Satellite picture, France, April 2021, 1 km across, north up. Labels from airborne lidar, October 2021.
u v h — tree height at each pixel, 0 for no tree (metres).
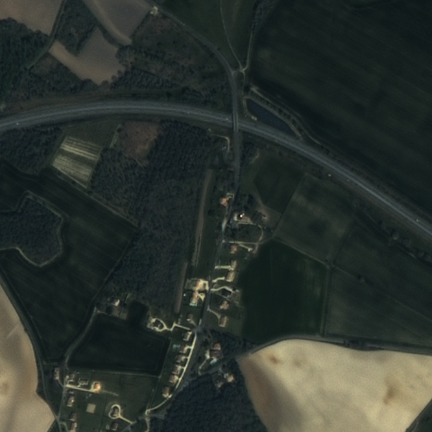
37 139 10
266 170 0
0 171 0
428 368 0
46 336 0
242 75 0
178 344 0
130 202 14
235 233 11
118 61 16
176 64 11
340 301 0
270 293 0
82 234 0
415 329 0
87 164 0
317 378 0
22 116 0
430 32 0
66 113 0
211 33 0
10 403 0
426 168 0
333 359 0
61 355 0
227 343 19
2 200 0
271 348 0
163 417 0
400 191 0
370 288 0
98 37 0
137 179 14
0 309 0
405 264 0
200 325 0
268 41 0
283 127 0
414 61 0
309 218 0
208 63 0
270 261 0
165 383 0
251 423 22
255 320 0
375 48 0
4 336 0
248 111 0
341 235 0
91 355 0
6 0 0
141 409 0
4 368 0
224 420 19
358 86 0
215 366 7
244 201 10
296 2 0
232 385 9
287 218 0
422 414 0
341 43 0
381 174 0
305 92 0
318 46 0
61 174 9
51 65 0
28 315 0
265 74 0
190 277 0
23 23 0
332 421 0
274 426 0
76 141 0
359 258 0
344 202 0
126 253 0
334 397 0
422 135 0
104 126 0
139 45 0
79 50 18
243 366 0
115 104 0
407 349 0
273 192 0
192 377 6
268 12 11
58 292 0
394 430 0
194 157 14
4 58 22
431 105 0
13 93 14
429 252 0
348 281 0
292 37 0
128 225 0
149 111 0
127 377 0
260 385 0
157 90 15
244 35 0
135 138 18
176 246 13
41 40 20
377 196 0
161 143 15
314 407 0
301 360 0
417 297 0
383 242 0
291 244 0
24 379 0
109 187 15
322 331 0
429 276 0
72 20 12
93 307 0
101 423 0
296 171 0
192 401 10
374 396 0
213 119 0
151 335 0
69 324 0
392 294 0
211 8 0
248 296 0
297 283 0
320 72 0
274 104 0
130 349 0
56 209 0
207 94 11
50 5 0
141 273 22
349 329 0
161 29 8
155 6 0
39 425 0
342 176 0
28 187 0
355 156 0
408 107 0
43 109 0
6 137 15
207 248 0
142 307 0
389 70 0
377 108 0
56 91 13
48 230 20
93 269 0
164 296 23
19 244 18
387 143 0
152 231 18
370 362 0
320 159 0
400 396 0
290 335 0
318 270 0
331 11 0
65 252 0
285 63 0
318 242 0
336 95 0
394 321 0
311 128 0
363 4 0
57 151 0
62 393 12
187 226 22
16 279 0
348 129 0
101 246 0
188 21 0
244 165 14
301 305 0
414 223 0
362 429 0
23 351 0
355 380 0
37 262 14
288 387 0
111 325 0
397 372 0
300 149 0
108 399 0
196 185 21
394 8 0
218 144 11
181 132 18
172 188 22
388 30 0
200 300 0
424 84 0
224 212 14
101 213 0
